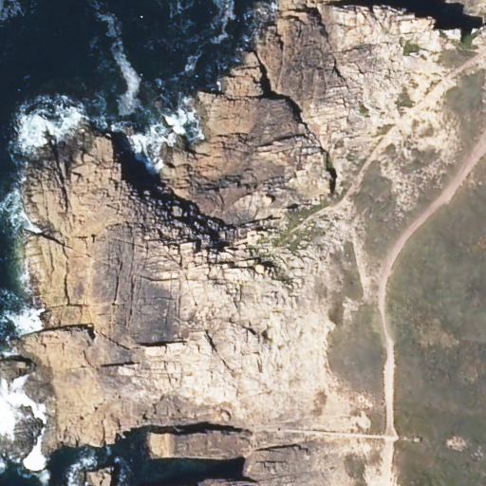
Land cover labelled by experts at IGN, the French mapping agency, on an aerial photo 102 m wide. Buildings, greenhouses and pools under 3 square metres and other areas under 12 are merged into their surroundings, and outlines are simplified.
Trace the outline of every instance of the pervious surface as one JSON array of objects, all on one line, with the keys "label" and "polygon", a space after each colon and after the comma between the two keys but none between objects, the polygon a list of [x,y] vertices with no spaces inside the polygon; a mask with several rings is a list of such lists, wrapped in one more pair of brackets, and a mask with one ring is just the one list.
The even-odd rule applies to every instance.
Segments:
[{"label": "pervious surface", "polygon": [[461,74],[475,74],[480,68],[486,74],[486,30],[482,27],[480,28],[480,34],[473,38],[473,44],[477,47],[475,57],[458,66],[444,66],[444,74],[454,82],[458,82]]},{"label": "pervious surface", "polygon": [[228,289],[237,289],[237,285],[243,283],[245,300],[249,300],[251,304],[273,300],[273,313],[279,317],[281,328],[290,330],[290,323],[304,319],[309,313],[330,313],[327,306],[319,306],[315,285],[325,283],[328,290],[334,290],[336,283],[330,277],[330,256],[332,252],[344,251],[347,241],[353,243],[364,300],[368,304],[378,306],[378,313],[372,317],[372,327],[374,332],[382,334],[385,347],[385,433],[366,435],[366,444],[370,444],[370,452],[378,452],[382,456],[382,463],[364,469],[364,482],[368,486],[395,486],[397,475],[393,473],[391,465],[393,444],[397,440],[393,421],[395,342],[385,306],[387,281],[393,275],[393,266],[408,239],[439,211],[442,205],[452,201],[452,197],[456,196],[456,192],[463,186],[465,177],[475,169],[478,159],[486,154],[486,129],[478,137],[477,146],[461,165],[458,175],[450,180],[446,190],[431,205],[427,205],[427,209],[399,235],[395,245],[383,258],[382,268],[376,273],[366,273],[364,243],[355,232],[355,228],[361,224],[361,218],[357,218],[351,224],[336,222],[332,232],[327,232],[321,237],[321,243],[325,245],[323,251],[300,251],[304,256],[304,260],[300,260],[300,268],[304,268],[300,270],[300,275],[306,277],[306,285],[302,289],[287,292],[281,281],[271,279],[268,271],[264,273],[264,277],[249,271],[245,281],[228,281]]}]

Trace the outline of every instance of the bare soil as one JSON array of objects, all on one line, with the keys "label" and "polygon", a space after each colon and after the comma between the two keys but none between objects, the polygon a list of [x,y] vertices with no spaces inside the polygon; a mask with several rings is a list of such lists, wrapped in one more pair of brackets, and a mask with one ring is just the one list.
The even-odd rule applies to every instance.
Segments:
[{"label": "bare soil", "polygon": [[110,486],[108,467],[99,469],[95,458],[82,458],[70,465],[68,486]]},{"label": "bare soil", "polygon": [[304,256],[300,251],[323,251],[325,245],[321,243],[321,237],[327,232],[332,232],[336,222],[351,224],[357,218],[361,218],[361,224],[355,228],[355,232],[364,243],[366,273],[376,273],[382,268],[383,258],[395,245],[399,235],[427,209],[427,205],[431,205],[446,190],[450,180],[458,175],[461,165],[477,146],[478,137],[486,129],[486,74],[480,68],[475,74],[461,74],[458,82],[454,82],[444,74],[444,66],[458,66],[475,57],[477,47],[473,44],[473,38],[480,34],[480,28],[473,28],[469,34],[459,32],[458,28],[437,30],[433,19],[406,15],[402,9],[393,9],[389,6],[327,8],[328,0],[273,0],[271,4],[260,2],[256,8],[247,9],[245,13],[234,13],[235,21],[245,23],[245,28],[251,28],[252,34],[243,36],[241,46],[237,47],[232,76],[216,80],[216,95],[201,91],[192,97],[184,97],[182,101],[178,101],[178,106],[169,101],[169,95],[159,95],[159,101],[154,101],[148,106],[140,104],[137,97],[127,99],[125,95],[121,95],[118,114],[82,114],[80,123],[68,129],[68,133],[63,135],[61,140],[46,131],[46,144],[38,146],[34,154],[25,154],[21,150],[19,135],[9,140],[9,159],[21,171],[21,178],[13,184],[13,192],[9,192],[8,196],[0,201],[0,211],[9,213],[9,222],[15,239],[15,254],[19,260],[21,289],[32,296],[36,304],[32,309],[38,309],[42,321],[42,328],[21,334],[21,344],[11,349],[0,349],[0,380],[13,382],[19,376],[25,376],[25,393],[32,401],[46,406],[44,421],[34,416],[30,406],[19,406],[19,410],[15,412],[15,440],[8,440],[4,435],[0,437],[0,461],[4,461],[6,467],[11,463],[25,465],[25,459],[34,446],[40,448],[44,458],[47,458],[61,444],[114,444],[116,435],[123,437],[125,431],[142,425],[190,425],[199,421],[211,421],[241,427],[239,433],[224,435],[218,431],[209,431],[184,437],[148,437],[150,452],[156,458],[245,458],[245,475],[241,480],[205,478],[203,486],[368,486],[364,482],[364,469],[382,463],[382,456],[378,452],[370,452],[370,444],[366,444],[366,435],[385,433],[385,347],[382,334],[374,332],[372,327],[372,317],[378,313],[378,306],[368,304],[364,300],[353,243],[347,241],[344,251],[332,252],[330,256],[330,277],[336,283],[334,290],[328,290],[325,283],[315,285],[319,306],[327,306],[330,313],[309,313],[304,319],[290,323],[290,330],[281,328],[279,317],[273,313],[273,300],[251,304],[249,300],[245,300],[243,283],[237,285],[237,289],[228,289],[228,281],[245,281],[249,271],[264,277],[264,273],[268,271],[271,279],[281,281],[287,292],[302,289],[306,285],[306,277],[300,275],[300,270],[304,268],[300,268],[300,260],[304,260]]},{"label": "bare soil", "polygon": [[475,169],[465,177],[463,186],[456,192],[456,196],[452,197],[452,201],[442,205],[439,211],[408,239],[393,266],[393,275],[387,281],[385,306],[395,342],[393,421],[397,440],[393,444],[391,465],[393,473],[397,475],[395,486],[486,486],[486,154],[478,159]]},{"label": "bare soil", "polygon": [[482,27],[486,30],[486,0],[444,0],[450,4],[461,4],[467,15],[480,17]]}]

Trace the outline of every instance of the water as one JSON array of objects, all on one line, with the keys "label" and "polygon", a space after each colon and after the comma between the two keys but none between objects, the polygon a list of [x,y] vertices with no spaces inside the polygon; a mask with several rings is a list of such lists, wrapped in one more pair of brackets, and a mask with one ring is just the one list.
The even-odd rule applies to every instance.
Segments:
[{"label": "water", "polygon": [[190,425],[142,425],[125,431],[123,437],[116,435],[114,444],[61,444],[47,458],[44,458],[40,448],[34,446],[25,459],[25,465],[11,463],[6,467],[4,461],[0,461],[0,486],[68,486],[70,465],[82,458],[95,458],[99,469],[108,467],[110,486],[203,486],[205,478],[241,480],[245,475],[245,458],[156,458],[150,452],[148,437],[184,437],[209,431],[218,431],[224,435],[239,433],[241,427],[211,421],[199,421]]},{"label": "water", "polygon": [[437,30],[458,28],[459,32],[469,34],[473,28],[480,28],[482,27],[480,17],[467,15],[461,4],[450,4],[444,0],[328,0],[327,8],[389,6],[393,9],[402,9],[406,15],[433,19]]},{"label": "water", "polygon": [[9,192],[13,192],[13,184],[21,178],[21,171],[9,159],[9,140],[19,135],[21,150],[25,154],[34,154],[38,146],[46,144],[46,131],[61,140],[63,135],[68,133],[68,129],[80,123],[82,114],[118,114],[121,95],[125,95],[127,99],[137,97],[140,104],[148,106],[154,101],[159,101],[159,95],[169,95],[169,101],[178,106],[178,101],[182,101],[184,97],[192,97],[201,91],[216,95],[216,80],[232,76],[237,47],[241,46],[243,36],[252,34],[251,28],[245,28],[245,23],[235,21],[234,13],[245,13],[247,9],[256,8],[260,2],[271,4],[273,0],[0,0],[0,201],[8,196]]},{"label": "water", "polygon": [[21,289],[19,260],[15,254],[15,239],[9,222],[9,213],[0,211],[0,349],[11,349],[21,344],[21,334],[42,328],[42,321],[38,309],[32,309],[36,304],[32,296]]},{"label": "water", "polygon": [[19,406],[30,406],[34,416],[44,421],[46,406],[32,401],[25,393],[25,376],[19,376],[13,382],[0,380],[0,437],[4,435],[8,440],[15,440],[15,412],[19,410]]}]

